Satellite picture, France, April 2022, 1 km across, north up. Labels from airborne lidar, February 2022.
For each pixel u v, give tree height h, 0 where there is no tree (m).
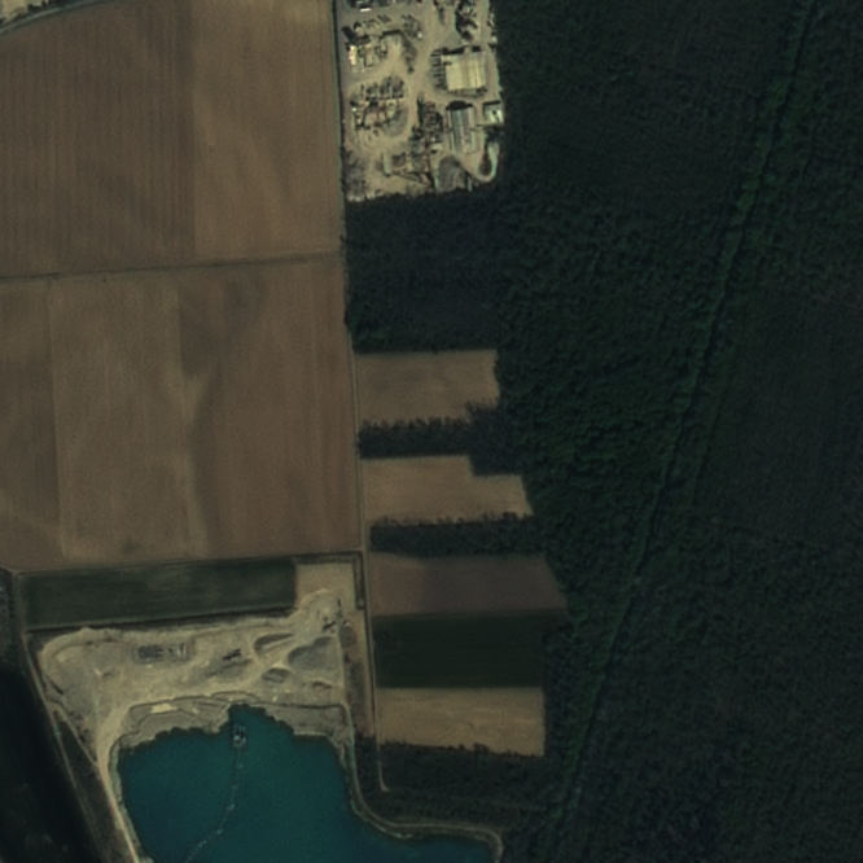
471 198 10
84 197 0
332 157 0
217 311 0
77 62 0
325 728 0
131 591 0
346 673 0
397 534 12
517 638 0
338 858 0
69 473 0
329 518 0
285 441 0
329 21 0
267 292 0
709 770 12
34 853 0
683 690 19
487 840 0
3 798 0
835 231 14
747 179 20
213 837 0
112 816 0
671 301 11
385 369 0
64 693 0
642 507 19
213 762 0
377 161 0
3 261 0
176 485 0
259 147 0
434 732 0
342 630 0
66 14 0
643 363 18
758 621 13
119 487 0
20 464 0
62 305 0
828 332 9
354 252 16
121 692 0
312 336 0
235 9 0
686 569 21
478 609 0
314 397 0
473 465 12
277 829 0
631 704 18
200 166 0
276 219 0
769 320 10
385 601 0
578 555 10
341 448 0
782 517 8
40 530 0
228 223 0
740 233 16
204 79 0
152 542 0
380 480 0
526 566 0
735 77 12
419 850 0
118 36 0
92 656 0
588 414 25
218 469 0
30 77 0
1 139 0
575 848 18
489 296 16
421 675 0
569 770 13
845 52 12
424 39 0
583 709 18
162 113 0
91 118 0
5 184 0
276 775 0
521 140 8
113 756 0
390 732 0
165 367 0
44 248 0
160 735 0
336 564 0
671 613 20
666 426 23
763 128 19
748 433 10
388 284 13
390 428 10
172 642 0
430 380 0
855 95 18
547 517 18
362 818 0
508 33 11
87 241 0
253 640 0
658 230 20
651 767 15
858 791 8
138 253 0
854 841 9
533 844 10
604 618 16
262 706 0
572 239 21
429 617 0
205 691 0
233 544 0
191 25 0
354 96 0
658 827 13
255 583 0
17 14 0
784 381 11
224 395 0
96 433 0
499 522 18
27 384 0
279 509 0
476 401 0
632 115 7
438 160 0
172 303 0
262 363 0
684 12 11
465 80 0
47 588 0
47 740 0
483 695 0
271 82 0
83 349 0
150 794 0
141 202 0
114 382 0
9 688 0
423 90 0
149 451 0
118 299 0
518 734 0
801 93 21
